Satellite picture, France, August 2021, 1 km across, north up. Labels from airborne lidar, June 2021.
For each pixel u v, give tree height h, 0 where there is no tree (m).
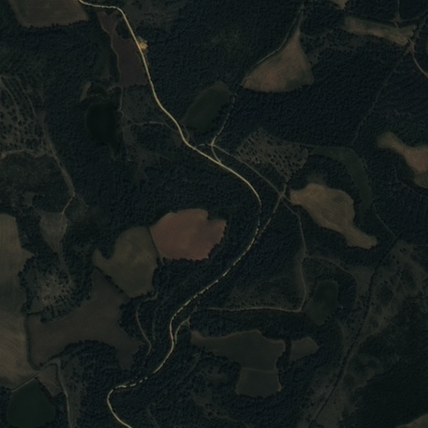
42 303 0
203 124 0
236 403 9
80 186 9
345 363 9
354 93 8
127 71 0
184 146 6
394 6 11
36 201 13
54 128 10
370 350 7
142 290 0
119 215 15
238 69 8
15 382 0
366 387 7
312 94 12
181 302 7
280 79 0
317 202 0
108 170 7
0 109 0
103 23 0
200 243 0
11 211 8
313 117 9
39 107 6
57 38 16
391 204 13
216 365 8
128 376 8
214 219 0
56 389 0
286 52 0
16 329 0
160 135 8
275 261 14
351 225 0
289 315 8
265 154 0
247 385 0
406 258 0
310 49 10
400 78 12
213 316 7
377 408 11
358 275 0
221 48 10
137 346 0
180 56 10
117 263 0
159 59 10
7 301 0
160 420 10
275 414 12
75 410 0
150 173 13
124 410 11
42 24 0
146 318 7
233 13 9
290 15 12
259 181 7
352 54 7
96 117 0
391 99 10
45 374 0
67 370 0
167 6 8
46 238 0
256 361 0
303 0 11
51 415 0
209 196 12
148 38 5
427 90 11
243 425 6
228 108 13
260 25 8
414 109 11
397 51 7
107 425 11
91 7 7
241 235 13
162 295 6
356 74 9
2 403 6
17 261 0
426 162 0
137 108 0
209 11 8
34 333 0
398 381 11
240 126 13
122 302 0
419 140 9
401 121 7
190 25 7
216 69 9
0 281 0
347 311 6
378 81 8
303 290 0
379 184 10
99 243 16
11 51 6
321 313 0
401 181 6
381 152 10
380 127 11
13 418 0
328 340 8
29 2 0
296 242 7
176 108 10
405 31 0
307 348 0
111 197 6
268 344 0
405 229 8
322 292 0
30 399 0
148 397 8
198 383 7
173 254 0
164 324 10
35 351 0
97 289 0
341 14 9
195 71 10
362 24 0
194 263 10
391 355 11
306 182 8
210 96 0
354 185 10
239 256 10
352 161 0
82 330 0
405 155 0
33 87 6
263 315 6
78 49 12
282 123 8
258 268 12
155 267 0
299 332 13
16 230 0
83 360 10
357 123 8
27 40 11
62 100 16
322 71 9
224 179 13
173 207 12
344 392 0
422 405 12
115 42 0
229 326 16
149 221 11
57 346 0
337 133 8
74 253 7
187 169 12
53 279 0
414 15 9
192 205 8
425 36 11
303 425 0
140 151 0
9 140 0
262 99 11
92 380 8
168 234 0
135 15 0
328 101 11
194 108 0
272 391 0
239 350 0
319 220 0
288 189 8
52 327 0
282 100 8
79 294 11
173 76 10
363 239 0
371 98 8
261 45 8
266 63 0
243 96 9
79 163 15
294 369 6
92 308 0
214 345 0
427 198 8
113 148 0
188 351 8
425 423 0
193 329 13
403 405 11
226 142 8
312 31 8
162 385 9
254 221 14
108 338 0
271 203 8
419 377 9
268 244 13
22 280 6
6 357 0
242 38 7
